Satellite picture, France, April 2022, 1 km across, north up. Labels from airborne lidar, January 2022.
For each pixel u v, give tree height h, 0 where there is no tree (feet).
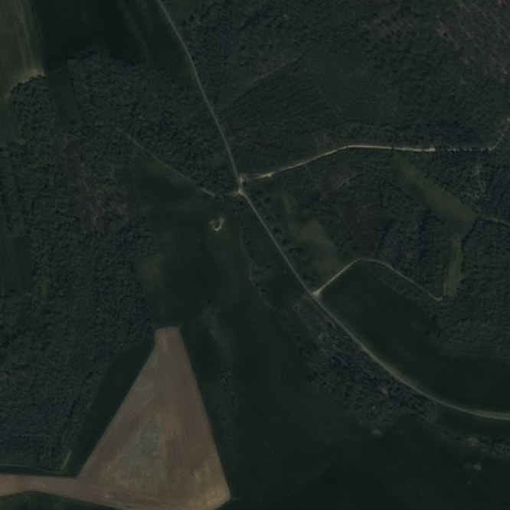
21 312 0
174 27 0
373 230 0
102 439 0
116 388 0
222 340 0
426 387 0
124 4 0
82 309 31
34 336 80
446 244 31
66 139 0
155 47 0
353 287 0
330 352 0
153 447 0
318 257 0
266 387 0
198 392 0
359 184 29
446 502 0
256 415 0
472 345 34
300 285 0
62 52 0
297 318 0
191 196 0
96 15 0
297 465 0
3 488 0
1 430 52
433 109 69
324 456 0
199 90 0
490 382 0
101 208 0
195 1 0
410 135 35
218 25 91
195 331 0
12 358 73
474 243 77
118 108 92
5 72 0
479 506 0
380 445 0
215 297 0
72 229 57
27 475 0
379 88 43
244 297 0
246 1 93
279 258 0
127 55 0
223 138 0
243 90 66
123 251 64
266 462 0
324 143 0
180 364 0
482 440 0
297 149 27
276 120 23
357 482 0
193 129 29
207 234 0
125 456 0
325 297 0
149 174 0
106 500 0
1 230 0
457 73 86
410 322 0
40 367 81
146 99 81
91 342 50
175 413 0
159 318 0
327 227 48
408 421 0
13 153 44
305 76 25
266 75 80
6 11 0
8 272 0
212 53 67
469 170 52
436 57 80
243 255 0
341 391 51
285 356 0
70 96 0
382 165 40
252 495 0
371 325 0
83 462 0
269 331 0
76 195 45
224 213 0
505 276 56
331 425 0
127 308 64
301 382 0
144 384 0
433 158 23
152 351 0
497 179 61
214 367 0
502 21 96
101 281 48
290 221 0
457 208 0
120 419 0
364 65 57
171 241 0
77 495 0
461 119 74
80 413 63
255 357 0
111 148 75
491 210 46
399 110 39
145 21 0
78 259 73
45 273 65
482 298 45
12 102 0
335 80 35
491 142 60
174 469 0
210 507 0
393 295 0
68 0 0
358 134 50
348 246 56
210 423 0
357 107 26
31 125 45
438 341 32
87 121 60
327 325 0
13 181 71
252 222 0
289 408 0
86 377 39
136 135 68
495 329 59
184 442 0
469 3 84
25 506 0
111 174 90
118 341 66
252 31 92
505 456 55
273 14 82
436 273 44
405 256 78
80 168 0
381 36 85
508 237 61
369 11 45
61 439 30
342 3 64
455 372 0
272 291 0
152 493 0
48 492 0
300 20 62
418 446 0
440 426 0
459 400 0
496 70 94
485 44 101
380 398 75
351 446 0
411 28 89
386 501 0
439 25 103
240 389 0
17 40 0
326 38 41
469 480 0
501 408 0
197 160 45
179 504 0
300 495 0
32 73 0
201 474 0
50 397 44
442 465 0
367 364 88
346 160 26
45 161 87
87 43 0
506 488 0
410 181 0
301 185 39
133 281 58
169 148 66
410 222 70
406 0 29
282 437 0
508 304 28
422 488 0
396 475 0
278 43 97
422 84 42
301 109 19
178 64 0
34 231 83
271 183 0
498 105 81
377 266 24
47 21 0
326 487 0
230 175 55
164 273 0
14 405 37
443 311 33
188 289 0
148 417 0
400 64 83
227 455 0
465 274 49
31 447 45
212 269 0
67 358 80
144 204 0
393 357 0
